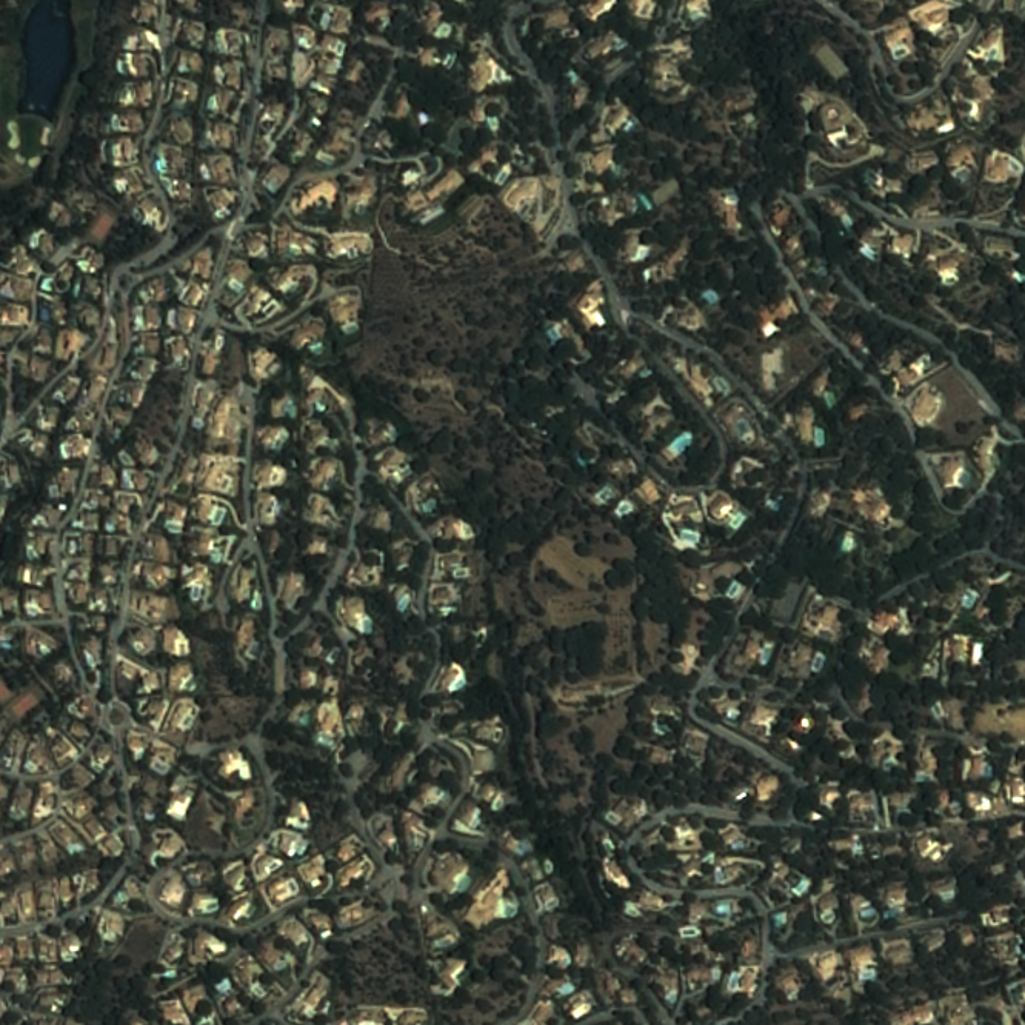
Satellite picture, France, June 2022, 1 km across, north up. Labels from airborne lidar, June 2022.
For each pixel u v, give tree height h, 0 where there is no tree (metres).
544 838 12
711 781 9
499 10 11
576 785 6
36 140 0
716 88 10
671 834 12
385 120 7
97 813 8
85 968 8
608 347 10
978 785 9
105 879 10
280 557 11
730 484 8
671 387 8
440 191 0
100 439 6
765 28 13
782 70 13
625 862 8
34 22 0
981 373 9
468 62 9
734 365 7
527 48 10
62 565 0
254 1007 10
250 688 10
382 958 9
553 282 6
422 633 8
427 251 7
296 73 0
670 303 7
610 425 8
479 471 10
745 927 6
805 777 9
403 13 12
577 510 7
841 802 12
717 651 9
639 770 13
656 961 12
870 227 8
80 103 8
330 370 7
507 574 11
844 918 9
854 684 12
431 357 13
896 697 11
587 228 9
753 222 10
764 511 9
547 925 8
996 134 7
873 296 16
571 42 8
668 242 13
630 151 11
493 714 9
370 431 12
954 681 11
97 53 6
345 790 10
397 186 8
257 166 6
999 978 7
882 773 11
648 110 12
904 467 12
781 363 0
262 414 6
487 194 8
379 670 11
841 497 13
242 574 0
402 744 8
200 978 8
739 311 10
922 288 11
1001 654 13
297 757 7
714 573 0
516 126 6
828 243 12
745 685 9
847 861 11
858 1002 9
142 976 8
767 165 9
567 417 14
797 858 10
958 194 10
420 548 10
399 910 9
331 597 8
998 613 13
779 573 13
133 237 11
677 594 11
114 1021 11
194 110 9
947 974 8
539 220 0
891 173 14
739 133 6
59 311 0
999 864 10
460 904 7
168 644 0
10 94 0
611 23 10
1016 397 6
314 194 0
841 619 8
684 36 9
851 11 12
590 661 13
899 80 9
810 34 12
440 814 9
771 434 7
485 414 7
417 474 9
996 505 11
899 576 12
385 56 7
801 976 6
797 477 11
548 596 0
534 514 9
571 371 11
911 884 8
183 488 0
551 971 12
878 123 7
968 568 9
